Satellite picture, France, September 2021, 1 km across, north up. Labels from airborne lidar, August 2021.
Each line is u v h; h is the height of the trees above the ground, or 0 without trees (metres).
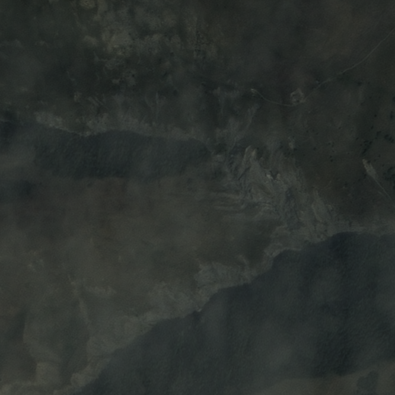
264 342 14
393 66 0
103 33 0
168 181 0
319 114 0
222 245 0
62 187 0
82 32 0
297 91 0
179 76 0
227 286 0
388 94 0
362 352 17
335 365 17
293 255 19
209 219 0
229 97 0
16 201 0
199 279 0
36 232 0
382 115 0
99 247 0
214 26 0
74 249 0
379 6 0
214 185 0
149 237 0
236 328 16
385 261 14
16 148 7
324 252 17
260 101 0
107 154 7
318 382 0
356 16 0
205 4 0
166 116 0
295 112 0
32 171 0
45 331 0
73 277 0
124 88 0
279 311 12
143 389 0
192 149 9
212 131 0
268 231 0
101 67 0
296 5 0
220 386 7
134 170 0
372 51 0
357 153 0
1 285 0
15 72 0
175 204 0
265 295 17
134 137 7
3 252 0
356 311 17
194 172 0
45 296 0
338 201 0
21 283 0
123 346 0
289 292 15
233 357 20
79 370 0
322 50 0
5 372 0
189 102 0
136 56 0
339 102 0
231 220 0
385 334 16
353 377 0
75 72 0
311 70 0
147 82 0
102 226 0
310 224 0
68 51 0
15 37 0
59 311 0
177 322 0
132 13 0
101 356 0
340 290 9
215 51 0
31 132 10
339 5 0
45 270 0
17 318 0
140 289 0
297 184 0
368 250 19
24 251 0
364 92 0
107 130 0
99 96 0
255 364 16
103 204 0
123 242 0
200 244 0
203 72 0
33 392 0
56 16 0
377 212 0
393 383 0
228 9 0
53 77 0
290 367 9
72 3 0
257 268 0
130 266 0
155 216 0
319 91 0
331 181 0
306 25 0
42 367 0
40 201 0
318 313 20
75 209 0
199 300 0
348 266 19
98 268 0
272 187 0
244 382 13
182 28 0
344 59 0
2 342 0
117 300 0
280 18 0
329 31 0
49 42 0
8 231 0
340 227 0
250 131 0
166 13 0
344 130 0
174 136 0
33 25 0
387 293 19
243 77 0
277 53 0
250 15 0
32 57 0
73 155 6
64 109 0
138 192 0
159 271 0
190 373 10
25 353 0
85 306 0
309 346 14
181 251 0
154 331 0
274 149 0
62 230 0
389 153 0
